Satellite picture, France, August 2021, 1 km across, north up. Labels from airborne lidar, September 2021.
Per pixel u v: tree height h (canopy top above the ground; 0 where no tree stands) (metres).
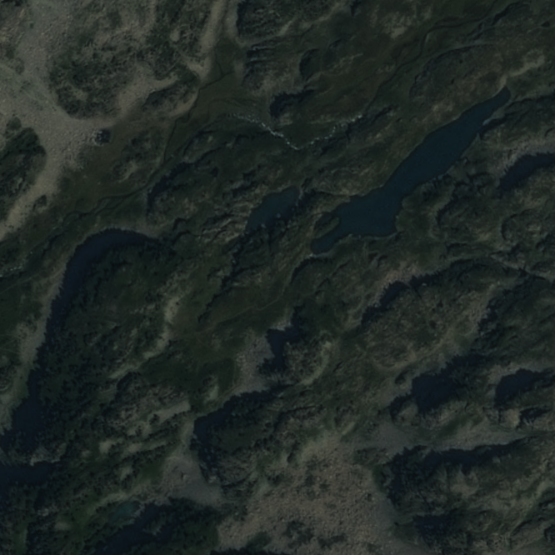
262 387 0
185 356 0
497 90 0
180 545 0
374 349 0
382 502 0
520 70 0
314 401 0
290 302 0
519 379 0
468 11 0
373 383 0
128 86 0
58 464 9
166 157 0
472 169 0
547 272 0
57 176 0
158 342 0
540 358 0
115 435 8
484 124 0
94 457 0
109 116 0
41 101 0
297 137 0
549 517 0
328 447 0
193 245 0
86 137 0
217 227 0
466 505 0
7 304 0
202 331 0
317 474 0
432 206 0
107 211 0
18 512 8
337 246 0
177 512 11
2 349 0
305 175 0
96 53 6
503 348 0
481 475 0
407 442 0
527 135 0
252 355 0
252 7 0
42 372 10
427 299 0
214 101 0
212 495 0
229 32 0
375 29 0
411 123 0
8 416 0
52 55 0
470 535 7
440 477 0
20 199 0
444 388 0
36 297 0
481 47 0
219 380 0
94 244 0
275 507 0
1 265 11
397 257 0
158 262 10
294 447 9
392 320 0
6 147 0
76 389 0
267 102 0
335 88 0
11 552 9
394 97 0
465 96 0
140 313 0
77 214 0
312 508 0
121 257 8
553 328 0
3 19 0
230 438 0
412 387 0
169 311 0
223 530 0
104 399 0
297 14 0
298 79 0
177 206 0
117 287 0
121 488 0
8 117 0
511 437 0
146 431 0
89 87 6
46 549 12
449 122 0
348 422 0
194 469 0
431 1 0
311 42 0
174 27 0
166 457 0
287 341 7
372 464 0
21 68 0
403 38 0
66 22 0
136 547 18
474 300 0
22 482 7
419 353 0
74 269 0
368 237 0
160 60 6
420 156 0
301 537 0
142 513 0
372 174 0
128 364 0
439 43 0
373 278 0
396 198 0
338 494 0
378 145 0
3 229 0
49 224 0
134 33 0
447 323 0
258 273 0
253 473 0
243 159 0
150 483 0
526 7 0
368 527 0
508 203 0
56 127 0
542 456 0
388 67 0
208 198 0
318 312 0
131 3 0
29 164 10
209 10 8
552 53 0
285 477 0
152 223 0
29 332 0
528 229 0
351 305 0
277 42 0
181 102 0
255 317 0
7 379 13
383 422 0
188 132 0
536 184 0
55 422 15
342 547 0
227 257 0
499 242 0
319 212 0
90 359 6
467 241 0
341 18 0
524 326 0
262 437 0
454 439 0
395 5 0
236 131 0
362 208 0
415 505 0
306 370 6
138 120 0
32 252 0
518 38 0
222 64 0
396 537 0
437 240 0
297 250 0
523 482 0
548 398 0
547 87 0
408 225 0
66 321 9
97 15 0
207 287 0
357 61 0
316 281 0
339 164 0
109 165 0
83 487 10
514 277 0
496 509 0
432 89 0
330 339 0
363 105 0
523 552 0
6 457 0
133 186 0
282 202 0
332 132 0
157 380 0
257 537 0
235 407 10
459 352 0
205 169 0
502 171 0
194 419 0
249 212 0
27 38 0
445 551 23
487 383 0
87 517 0
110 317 0
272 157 0
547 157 0
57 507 8
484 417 0
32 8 0
